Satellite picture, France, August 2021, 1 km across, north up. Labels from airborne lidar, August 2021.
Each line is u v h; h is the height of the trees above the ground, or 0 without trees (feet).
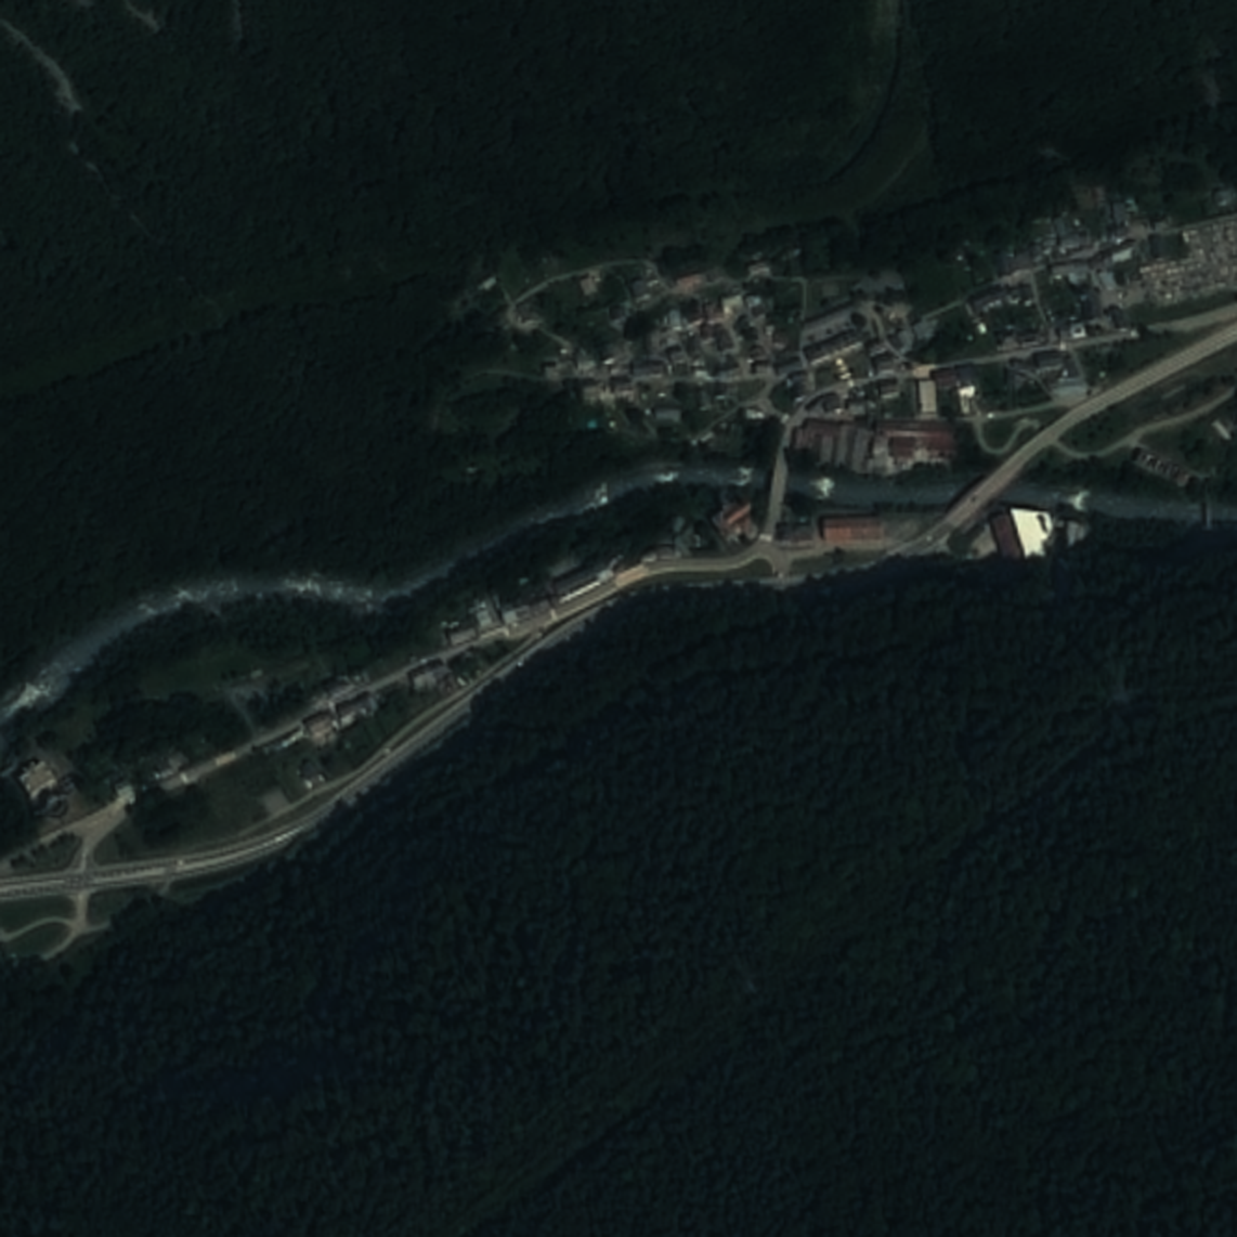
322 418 64
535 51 90
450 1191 86
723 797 88
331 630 19
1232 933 82
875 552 0
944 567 33
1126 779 92
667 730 88
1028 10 73
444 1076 94
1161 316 0
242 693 0
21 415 68
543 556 59
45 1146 80
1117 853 75
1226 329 0
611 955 80
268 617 41
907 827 87
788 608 65
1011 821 65
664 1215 92
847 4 60
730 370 0
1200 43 73
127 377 70
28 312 92
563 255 35
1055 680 82
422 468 79
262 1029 89
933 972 101
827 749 100
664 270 20
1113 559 79
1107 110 19
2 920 0
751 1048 71
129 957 67
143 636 32
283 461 88
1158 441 0
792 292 0
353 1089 88
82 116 47
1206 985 89
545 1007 85
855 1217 90
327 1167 92
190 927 89
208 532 88
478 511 47
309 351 45
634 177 93
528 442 58
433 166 83
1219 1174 77
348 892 41
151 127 64
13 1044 97
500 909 62
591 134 94
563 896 101
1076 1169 95
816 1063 82
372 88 95
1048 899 95
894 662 88
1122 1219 81
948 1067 106
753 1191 90
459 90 89
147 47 56
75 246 65
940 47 69
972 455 47
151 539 77
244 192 75
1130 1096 91
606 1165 86
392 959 73
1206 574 77
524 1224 50
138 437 64
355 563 41
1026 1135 108
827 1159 87
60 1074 104
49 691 0
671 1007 67
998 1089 91
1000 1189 87
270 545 68
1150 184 21
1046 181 44
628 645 72
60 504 73
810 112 70
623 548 40
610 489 0
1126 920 68
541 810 60
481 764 102
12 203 62
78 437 62
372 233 85
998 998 106
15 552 65
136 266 62
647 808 98
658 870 81
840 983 60
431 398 49
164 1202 67
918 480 64
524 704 82
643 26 96
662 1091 57
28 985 83
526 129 96
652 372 0
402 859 48
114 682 71
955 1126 97
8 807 65
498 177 70
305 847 33
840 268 34
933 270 0
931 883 69
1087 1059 81
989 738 78
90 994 75
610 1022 68
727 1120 79
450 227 93
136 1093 87
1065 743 49
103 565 78
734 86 81
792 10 58
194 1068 99
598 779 79
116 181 42
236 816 0
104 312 78
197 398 67
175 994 101
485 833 85
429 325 60
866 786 87
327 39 108
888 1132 88
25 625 65
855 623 103
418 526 63
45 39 43
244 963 90
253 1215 39
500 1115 93
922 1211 105
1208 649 101
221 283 63
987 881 82
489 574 57
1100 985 83
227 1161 67
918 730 96
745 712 98
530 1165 68
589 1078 65
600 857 87
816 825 94
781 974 64
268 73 111
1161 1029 97
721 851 89
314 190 103
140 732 75
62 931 0
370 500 78
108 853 0
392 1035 102
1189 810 90
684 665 95
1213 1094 84
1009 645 88
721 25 74
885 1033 70
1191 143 46
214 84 75
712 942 87
